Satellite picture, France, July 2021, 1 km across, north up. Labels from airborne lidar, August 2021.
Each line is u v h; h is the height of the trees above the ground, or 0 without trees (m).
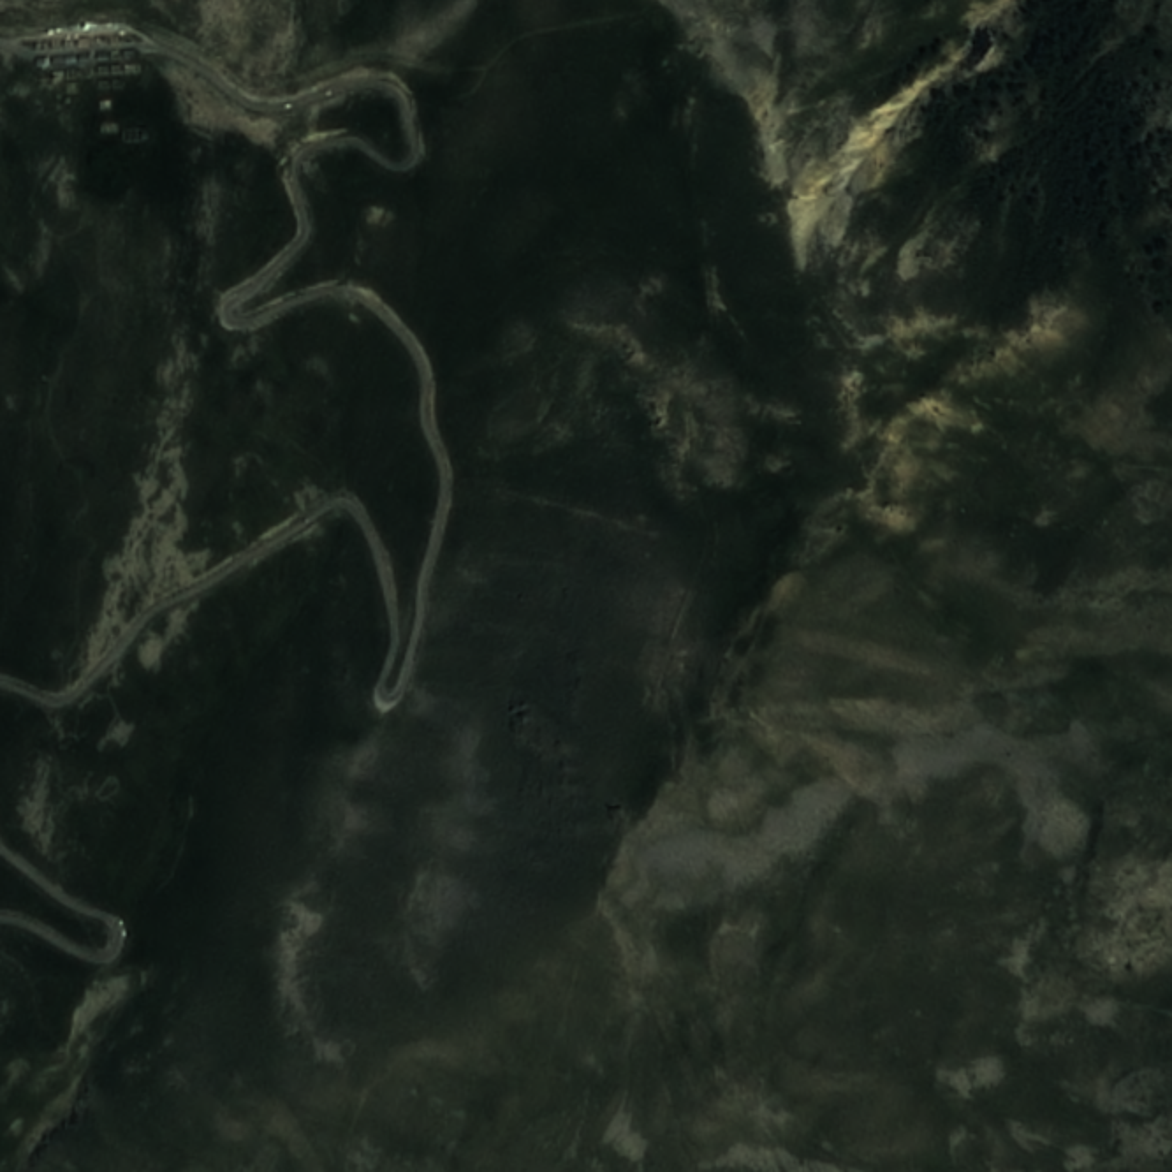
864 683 0
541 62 0
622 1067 0
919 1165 0
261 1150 0
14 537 0
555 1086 0
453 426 0
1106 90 7
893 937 0
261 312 0
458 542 0
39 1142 0
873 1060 0
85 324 0
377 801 0
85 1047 0
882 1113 0
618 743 0
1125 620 0
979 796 0
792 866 0
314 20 0
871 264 0
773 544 0
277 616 0
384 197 0
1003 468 0
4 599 0
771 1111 0
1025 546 0
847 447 0
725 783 0
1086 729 0
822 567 0
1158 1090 0
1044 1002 0
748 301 0
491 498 0
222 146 0
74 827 0
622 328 0
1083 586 0
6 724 0
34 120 0
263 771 0
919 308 0
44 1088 0
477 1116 0
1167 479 0
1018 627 0
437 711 0
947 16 0
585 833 0
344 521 0
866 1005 0
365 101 0
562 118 0
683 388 0
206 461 0
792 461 0
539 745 0
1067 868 0
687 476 0
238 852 0
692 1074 0
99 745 0
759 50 0
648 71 0
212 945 0
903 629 0
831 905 0
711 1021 0
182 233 0
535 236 0
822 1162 0
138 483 0
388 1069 0
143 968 0
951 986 0
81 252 0
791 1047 0
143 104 0
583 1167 0
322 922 0
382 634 0
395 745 0
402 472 0
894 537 0
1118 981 0
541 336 0
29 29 0
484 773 0
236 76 0
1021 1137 0
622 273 0
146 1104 0
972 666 0
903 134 0
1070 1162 0
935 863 0
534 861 0
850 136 0
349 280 0
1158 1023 0
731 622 0
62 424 0
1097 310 0
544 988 0
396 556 0
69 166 0
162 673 0
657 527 0
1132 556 0
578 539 0
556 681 0
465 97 0
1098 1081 0
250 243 0
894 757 0
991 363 0
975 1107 0
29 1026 0
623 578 0
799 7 0
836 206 0
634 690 0
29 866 0
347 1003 0
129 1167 0
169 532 0
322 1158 0
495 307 0
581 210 0
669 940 0
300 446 0
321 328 0
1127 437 0
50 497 0
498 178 0
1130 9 0
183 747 0
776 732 0
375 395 0
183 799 0
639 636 0
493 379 0
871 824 0
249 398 0
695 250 0
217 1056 0
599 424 0
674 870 0
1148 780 0
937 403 0
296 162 0
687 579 0
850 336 0
